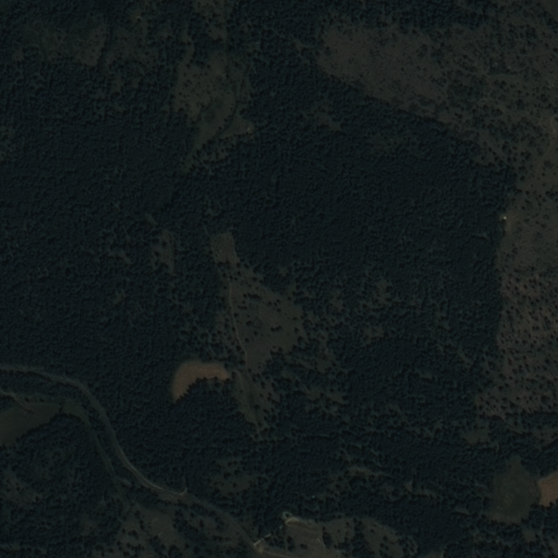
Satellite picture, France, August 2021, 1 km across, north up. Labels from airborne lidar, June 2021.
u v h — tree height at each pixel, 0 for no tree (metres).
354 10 10
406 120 9
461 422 11
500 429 14
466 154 10
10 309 15
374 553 5
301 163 12
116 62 9
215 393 12
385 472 12
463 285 11
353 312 11
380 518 10
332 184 13
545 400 13
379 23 12
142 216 12
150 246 9
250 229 16
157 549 8
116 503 8
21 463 8
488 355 11
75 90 13
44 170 14
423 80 0
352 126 10
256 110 12
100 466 16
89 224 17
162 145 14
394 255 12
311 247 13
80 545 10
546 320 7
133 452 9
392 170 10
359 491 11
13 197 16
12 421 0
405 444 17
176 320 13
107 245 9
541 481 0
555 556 11
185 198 14
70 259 12
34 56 10
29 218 13
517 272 10
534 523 10
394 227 11
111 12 11
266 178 14
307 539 0
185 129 12
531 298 10
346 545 10
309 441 13
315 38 7
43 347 15
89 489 9
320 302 10
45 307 11
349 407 10
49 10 9
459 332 10
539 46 0
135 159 12
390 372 13
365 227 9
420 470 16
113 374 14
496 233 11
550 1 0
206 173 11
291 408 11
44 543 7
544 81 0
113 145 11
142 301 8
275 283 14
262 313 0
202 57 10
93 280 11
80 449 11
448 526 15
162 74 11
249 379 0
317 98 8
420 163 13
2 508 8
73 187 14
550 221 0
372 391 16
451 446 17
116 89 0
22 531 9
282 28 13
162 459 16
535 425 10
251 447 11
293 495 11
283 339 0
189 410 15
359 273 10
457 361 8
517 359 7
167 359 14
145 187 15
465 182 13
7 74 8
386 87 0
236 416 9
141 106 7
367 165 13
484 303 6
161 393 17
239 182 14
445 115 0
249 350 0
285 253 13
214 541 11
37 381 15
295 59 12
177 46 10
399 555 0
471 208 10
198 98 0
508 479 0
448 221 9
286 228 12
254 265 12
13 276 11
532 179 0
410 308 10
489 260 14
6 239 9
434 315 10
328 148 12
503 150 7
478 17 7
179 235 7
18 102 13
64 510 7
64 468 9
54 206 13
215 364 0
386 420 6
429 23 9
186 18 11
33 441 10
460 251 11
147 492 16
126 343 13
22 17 8
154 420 14
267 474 12
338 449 12
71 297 14
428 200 9
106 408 11
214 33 0
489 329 10
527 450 11
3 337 11
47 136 13
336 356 8
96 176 12
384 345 14
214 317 11
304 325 6
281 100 6
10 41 11
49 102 11
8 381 13
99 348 10
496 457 16
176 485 10
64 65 8
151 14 6
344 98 8
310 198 11
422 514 15
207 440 16
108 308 12
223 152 7
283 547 7
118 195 13
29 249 12
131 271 10
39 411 0
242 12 13
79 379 12
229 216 12
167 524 0
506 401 8
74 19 9
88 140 13
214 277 12
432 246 7
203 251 10
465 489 13
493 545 8
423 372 13
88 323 16
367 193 10
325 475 10
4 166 12
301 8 8
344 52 0
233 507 10
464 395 12
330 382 7
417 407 12
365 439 7
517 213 0
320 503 11
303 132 14
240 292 0
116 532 7
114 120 12
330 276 11
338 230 15
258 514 12
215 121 0
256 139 9
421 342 11
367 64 0
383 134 7
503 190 13
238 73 0
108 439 17
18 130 12
